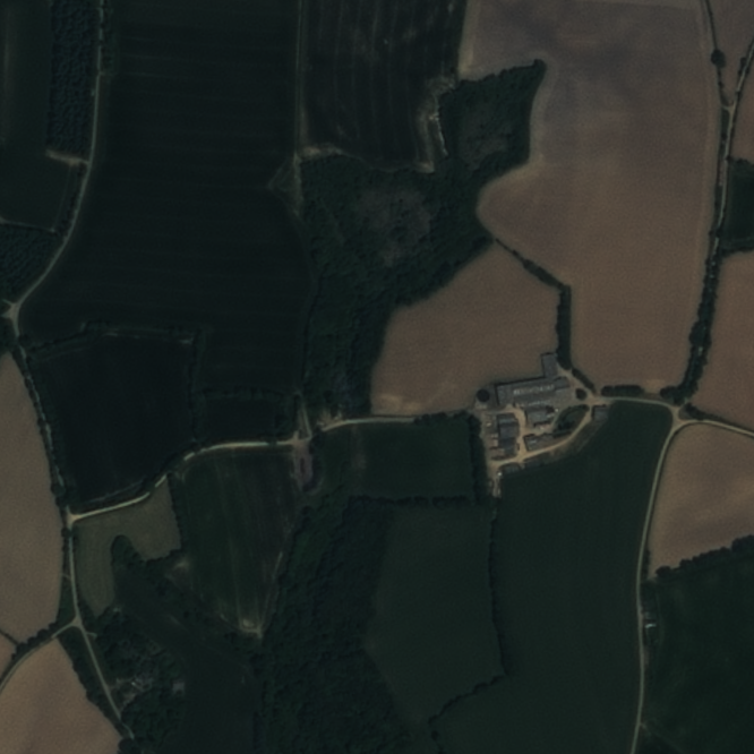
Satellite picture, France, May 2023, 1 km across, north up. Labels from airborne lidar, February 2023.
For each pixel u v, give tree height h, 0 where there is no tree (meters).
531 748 0
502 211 0
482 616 0
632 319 0
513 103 10
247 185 0
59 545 0
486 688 12
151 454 0
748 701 0
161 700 7
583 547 0
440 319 0
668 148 0
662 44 0
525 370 0
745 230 0
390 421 0
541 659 0
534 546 0
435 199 9
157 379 0
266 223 0
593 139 0
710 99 0
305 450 0
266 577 0
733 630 0
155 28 0
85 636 0
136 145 0
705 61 0
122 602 0
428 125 0
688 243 0
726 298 0
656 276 0
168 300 0
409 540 0
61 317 0
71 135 21
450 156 9
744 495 0
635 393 16
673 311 0
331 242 7
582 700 0
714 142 0
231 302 0
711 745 0
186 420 0
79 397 0
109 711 11
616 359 0
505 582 0
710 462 0
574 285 0
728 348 0
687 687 0
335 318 24
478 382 0
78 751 0
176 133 0
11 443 0
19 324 0
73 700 0
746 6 0
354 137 0
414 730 0
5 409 0
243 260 0
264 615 0
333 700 18
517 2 0
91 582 0
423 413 0
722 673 0
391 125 0
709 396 0
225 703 0
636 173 0
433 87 0
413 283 15
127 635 10
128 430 0
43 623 0
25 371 7
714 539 0
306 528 14
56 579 0
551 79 0
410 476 0
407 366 0
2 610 0
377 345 16
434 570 0
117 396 0
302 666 11
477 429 14
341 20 0
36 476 0
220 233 0
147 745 17
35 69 0
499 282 0
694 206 0
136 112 0
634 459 0
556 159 0
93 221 0
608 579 0
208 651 0
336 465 0
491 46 0
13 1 0
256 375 0
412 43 0
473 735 0
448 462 0
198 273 0
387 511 20
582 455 0
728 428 0
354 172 9
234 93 0
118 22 0
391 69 0
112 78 0
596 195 0
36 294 0
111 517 0
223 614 0
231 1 0
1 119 0
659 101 0
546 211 0
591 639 0
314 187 10
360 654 16
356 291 10
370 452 0
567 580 0
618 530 0
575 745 0
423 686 0
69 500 18
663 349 0
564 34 0
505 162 7
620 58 0
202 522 0
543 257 0
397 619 0
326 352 22
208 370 0
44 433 10
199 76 0
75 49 22
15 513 0
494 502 11
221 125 0
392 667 0
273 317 0
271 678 8
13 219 0
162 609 0
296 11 0
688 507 0
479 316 0
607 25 0
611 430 0
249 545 0
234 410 0
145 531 0
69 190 0
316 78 0
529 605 0
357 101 0
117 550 10
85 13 19
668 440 0
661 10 0
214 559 0
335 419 0
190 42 0
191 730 0
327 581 19
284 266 0
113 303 0
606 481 0
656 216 0
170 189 0
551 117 0
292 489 0
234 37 0
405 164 0
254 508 0
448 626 0
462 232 8
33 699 0
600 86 0
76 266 0
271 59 0
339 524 8
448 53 0
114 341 0
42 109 0
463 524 0
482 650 0
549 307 0
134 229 0
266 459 0
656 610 0
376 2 0
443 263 0
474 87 9
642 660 0
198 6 0
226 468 0
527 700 0
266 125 0
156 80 0
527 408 0
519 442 0
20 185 0
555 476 0
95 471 0
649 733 0
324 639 17
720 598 0
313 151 0
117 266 0
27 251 20
